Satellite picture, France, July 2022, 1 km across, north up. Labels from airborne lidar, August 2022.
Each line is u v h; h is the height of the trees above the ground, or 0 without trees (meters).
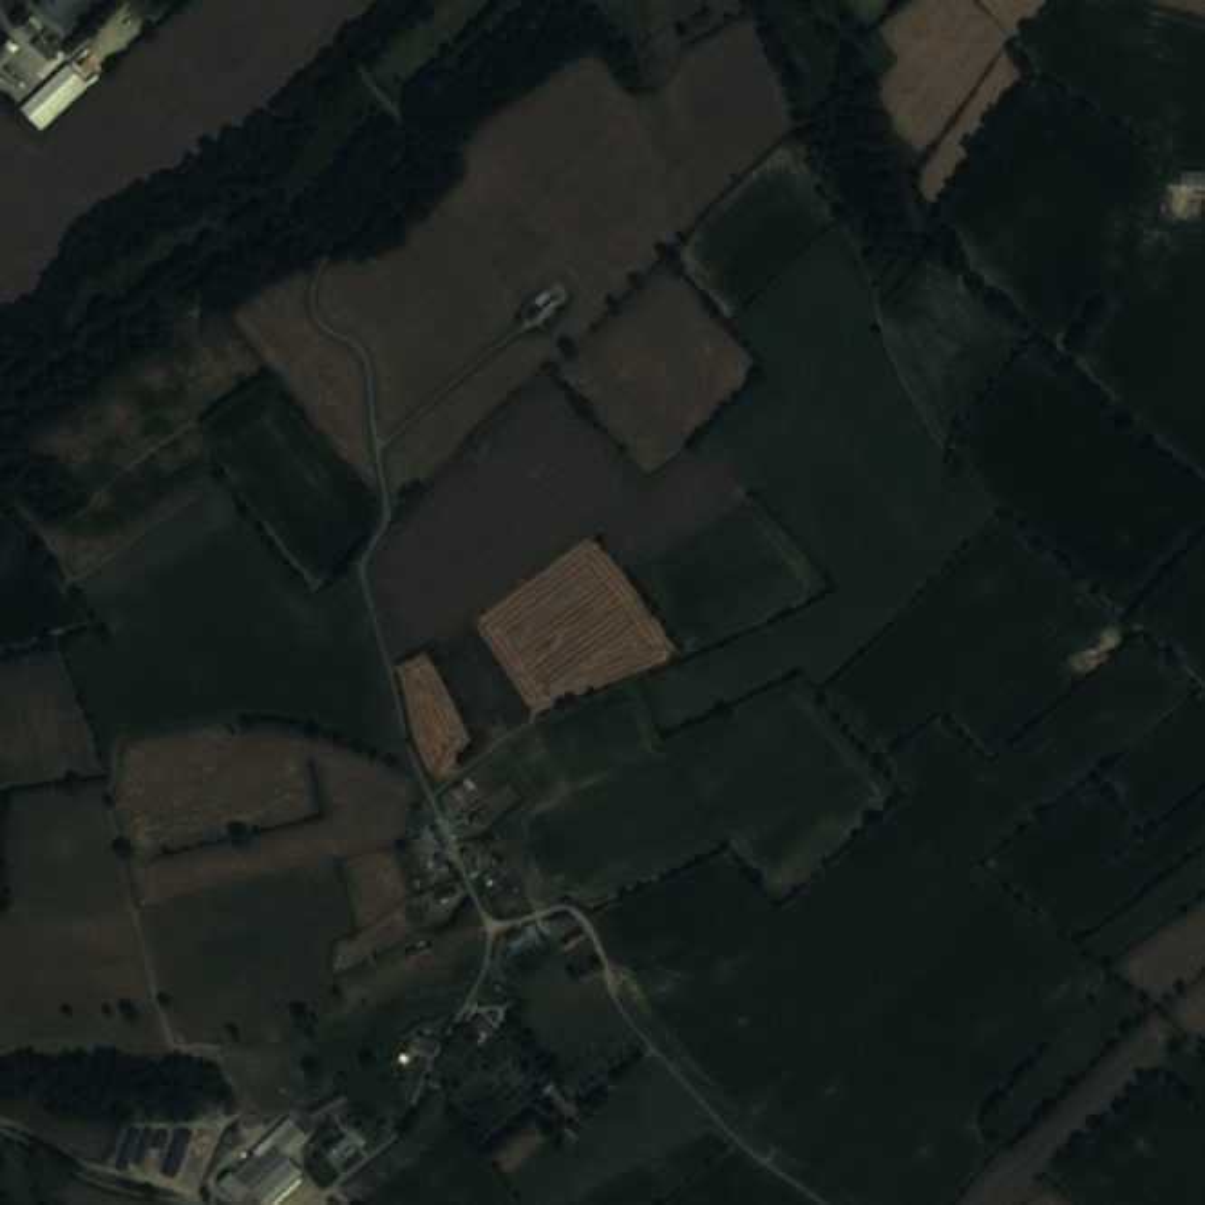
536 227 0
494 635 0
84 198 0
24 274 0
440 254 0
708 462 0
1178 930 0
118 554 0
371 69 17
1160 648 11
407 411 0
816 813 0
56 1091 24
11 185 0
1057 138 0
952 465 9
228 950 0
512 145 0
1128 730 0
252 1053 0
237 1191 0
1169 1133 0
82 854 0
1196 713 0
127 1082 22
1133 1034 15
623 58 19
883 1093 0
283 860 0
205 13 0
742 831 0
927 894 0
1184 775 0
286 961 0
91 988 0
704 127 0
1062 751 0
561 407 0
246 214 13
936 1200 0
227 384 0
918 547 0
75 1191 0
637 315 0
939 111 0
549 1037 0
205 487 0
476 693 0
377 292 0
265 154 13
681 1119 0
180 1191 0
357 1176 0
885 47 0
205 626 0
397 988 0
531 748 0
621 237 0
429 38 0
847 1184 0
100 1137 0
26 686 0
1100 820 0
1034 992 0
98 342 12
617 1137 0
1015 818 0
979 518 0
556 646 0
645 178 0
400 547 0
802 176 0
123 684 0
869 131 18
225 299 19
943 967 0
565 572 0
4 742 0
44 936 0
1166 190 0
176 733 0
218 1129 0
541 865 0
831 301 0
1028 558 0
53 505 10
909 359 0
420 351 0
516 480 0
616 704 0
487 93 19
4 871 10
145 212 17
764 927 0
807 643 0
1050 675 0
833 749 0
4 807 18
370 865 0
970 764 0
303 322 0
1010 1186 0
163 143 0
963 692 0
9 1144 9
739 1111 0
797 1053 0
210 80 0
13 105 12
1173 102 0
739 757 0
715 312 14
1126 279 0
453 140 19
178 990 0
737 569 0
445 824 0
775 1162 0
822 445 0
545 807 0
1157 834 13
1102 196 0
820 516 0
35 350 22
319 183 8
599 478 0
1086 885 0
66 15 0
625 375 0
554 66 12
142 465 0
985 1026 0
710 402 0
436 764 0
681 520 0
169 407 0
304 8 0
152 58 0
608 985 0
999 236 0
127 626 0
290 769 0
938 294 0
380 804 0
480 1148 13
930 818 0
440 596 0
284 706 0
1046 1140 0
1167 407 0
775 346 0
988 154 21
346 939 0
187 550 0
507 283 0
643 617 0
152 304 6
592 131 0
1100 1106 0
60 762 0
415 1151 0
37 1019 0
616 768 0
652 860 0
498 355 0
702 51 0
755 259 0
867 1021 0
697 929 0
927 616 0
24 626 0
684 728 6
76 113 0
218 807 0
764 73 0
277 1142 0
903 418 0
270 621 0
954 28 0
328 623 0
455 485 0
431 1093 6
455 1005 0
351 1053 0
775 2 24
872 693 0
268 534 7
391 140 23
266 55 0
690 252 0
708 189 0
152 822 0
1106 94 0
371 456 0
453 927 9
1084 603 0
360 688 0
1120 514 0
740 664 0
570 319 0
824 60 0
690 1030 0
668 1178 0
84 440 0
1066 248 0
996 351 0
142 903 0
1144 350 0
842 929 0
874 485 0
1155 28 0
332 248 8
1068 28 0
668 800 0
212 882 0
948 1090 0
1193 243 0
